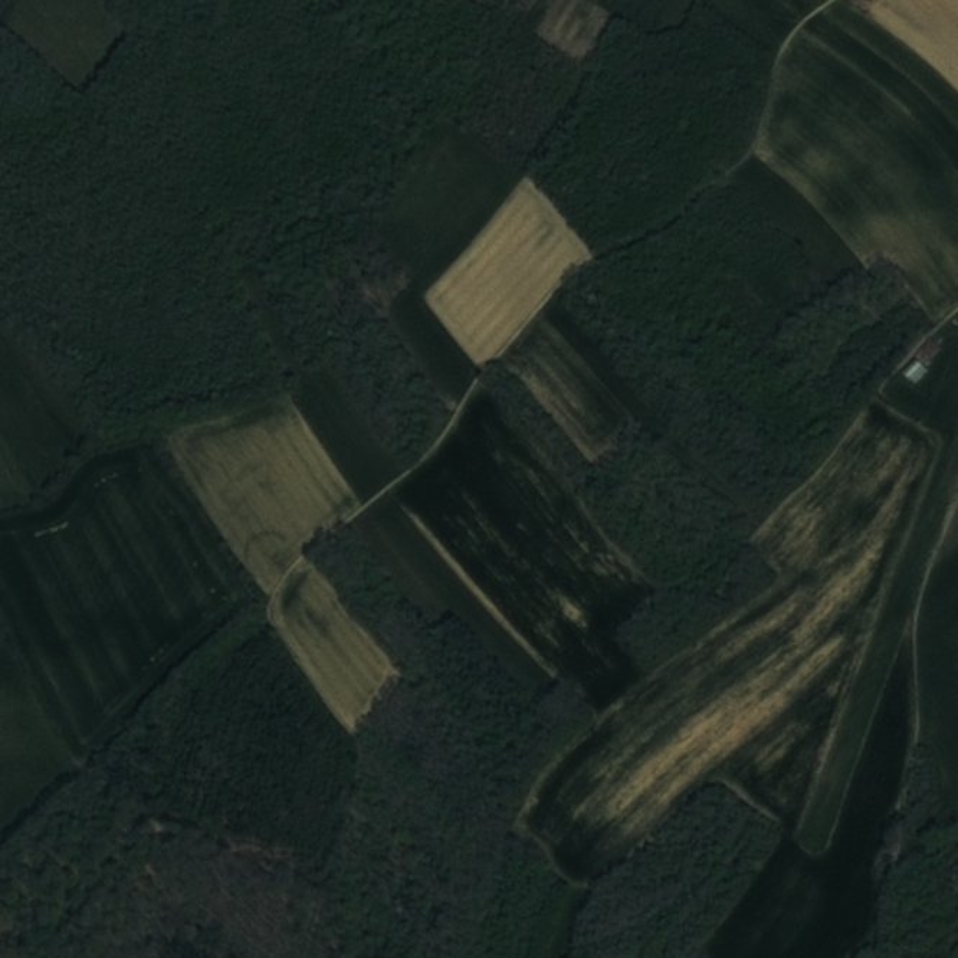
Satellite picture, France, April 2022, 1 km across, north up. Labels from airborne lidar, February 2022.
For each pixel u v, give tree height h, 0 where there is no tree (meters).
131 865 23
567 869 0
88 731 0
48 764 0
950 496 0
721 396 12
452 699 18
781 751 0
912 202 0
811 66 0
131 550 0
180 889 27
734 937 0
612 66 15
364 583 22
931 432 0
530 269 0
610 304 12
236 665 10
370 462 0
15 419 0
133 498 0
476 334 0
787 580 0
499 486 0
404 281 0
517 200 0
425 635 20
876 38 0
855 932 0
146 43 18
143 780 20
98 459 0
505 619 0
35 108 23
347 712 0
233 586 0
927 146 0
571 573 0
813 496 0
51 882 25
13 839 18
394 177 15
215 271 6
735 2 0
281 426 0
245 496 0
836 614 0
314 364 13
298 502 0
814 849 0
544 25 0
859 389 19
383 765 25
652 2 0
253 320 19
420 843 25
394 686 15
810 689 0
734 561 8
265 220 8
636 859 9
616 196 13
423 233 0
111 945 27
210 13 25
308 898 27
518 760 26
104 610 0
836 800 0
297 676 8
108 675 0
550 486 0
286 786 7
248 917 28
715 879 14
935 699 0
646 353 22
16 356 0
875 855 0
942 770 0
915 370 0
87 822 25
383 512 0
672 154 9
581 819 0
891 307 20
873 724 0
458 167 0
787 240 7
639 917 18
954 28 0
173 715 11
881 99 0
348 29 16
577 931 17
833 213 0
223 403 21
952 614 0
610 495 19
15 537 0
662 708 0
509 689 15
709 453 21
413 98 15
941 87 0
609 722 0
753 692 0
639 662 14
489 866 26
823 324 22
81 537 0
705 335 11
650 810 0
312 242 17
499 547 0
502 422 0
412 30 19
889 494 0
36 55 21
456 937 28
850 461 0
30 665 0
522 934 25
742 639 0
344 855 25
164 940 24
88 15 0
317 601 0
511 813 22
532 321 0
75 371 23
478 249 0
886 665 0
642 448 24
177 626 0
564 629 0
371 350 20
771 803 0
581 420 0
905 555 0
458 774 23
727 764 0
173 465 16
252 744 8
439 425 17
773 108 0
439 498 0
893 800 0
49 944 26
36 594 0
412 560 0
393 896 22
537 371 0
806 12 0
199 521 0
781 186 0
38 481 0
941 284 0
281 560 0
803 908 0
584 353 0
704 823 21
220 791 9
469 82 10
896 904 23
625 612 0
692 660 0
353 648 0
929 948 22
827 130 0
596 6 0
